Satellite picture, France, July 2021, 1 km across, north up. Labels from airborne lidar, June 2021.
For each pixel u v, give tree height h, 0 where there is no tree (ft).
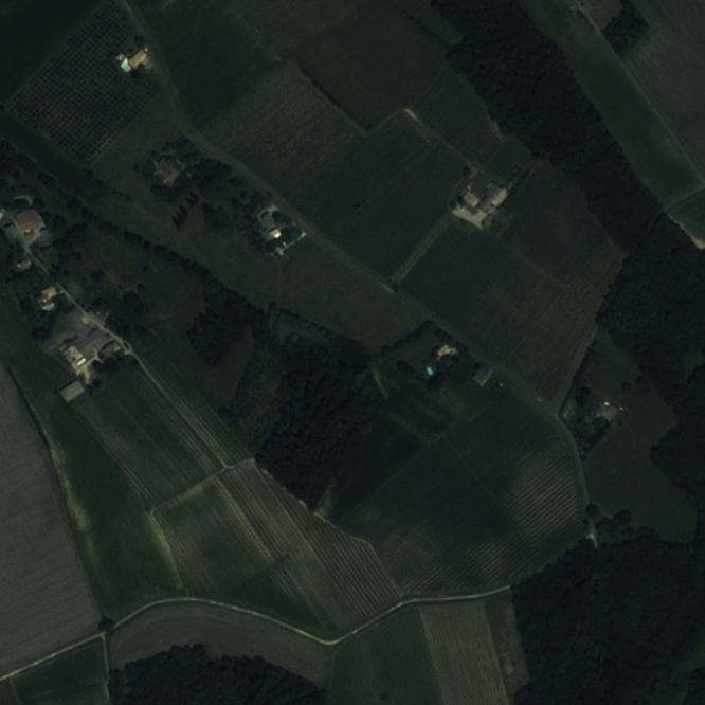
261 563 0
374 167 0
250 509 0
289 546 0
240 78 0
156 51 0
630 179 58
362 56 0
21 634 0
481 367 47
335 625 0
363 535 0
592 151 66
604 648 87
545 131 83
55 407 0
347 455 59
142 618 0
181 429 0
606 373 0
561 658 90
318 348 67
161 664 58
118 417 0
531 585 46
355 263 0
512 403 0
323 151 0
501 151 0
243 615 0
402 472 0
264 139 0
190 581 0
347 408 91
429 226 0
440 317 0
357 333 0
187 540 0
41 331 31
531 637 65
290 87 0
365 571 0
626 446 0
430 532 0
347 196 0
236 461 0
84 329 0
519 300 0
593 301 0
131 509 0
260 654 0
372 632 0
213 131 0
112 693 47
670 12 0
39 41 0
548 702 71
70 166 0
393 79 0
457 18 72
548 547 0
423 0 0
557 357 0
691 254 71
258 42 0
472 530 0
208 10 0
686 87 0
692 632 33
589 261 0
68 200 28
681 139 0
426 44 0
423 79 0
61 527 0
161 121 0
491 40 68
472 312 0
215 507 0
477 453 0
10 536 0
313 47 0
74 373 0
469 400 0
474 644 0
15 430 0
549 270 0
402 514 0
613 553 39
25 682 0
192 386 0
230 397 0
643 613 50
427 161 0
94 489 0
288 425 67
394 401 0
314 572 0
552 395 0
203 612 0
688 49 0
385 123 0
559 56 74
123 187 0
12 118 0
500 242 0
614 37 26
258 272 0
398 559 0
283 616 0
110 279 0
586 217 0
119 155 0
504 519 0
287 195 0
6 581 0
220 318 82
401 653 0
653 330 60
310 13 0
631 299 58
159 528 0
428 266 0
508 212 0
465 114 0
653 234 41
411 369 41
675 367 71
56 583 0
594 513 55
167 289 0
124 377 0
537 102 73
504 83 65
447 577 0
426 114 0
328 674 0
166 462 0
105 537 0
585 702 94
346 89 0
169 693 61
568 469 0
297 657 0
